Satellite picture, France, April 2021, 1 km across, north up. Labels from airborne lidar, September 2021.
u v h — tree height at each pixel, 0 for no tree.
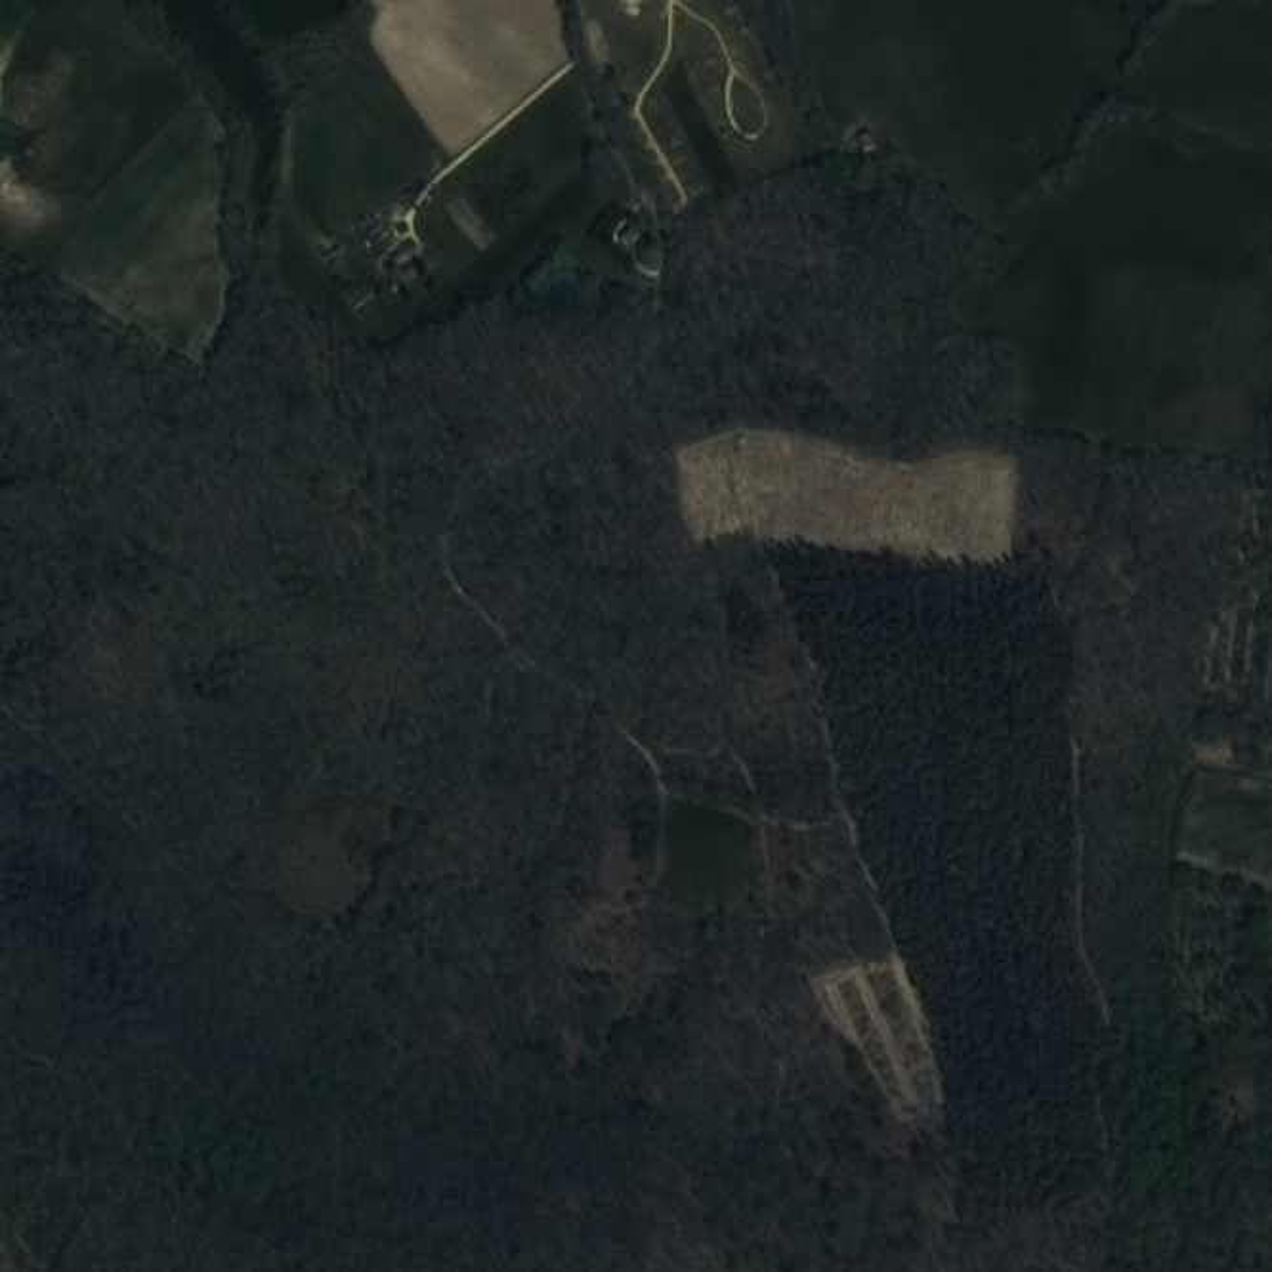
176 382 14
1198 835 0
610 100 14
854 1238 13
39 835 11
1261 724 19
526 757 13
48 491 15
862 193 16
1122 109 16
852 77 0
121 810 17
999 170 0
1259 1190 18
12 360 17
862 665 9
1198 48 0
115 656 17
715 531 0
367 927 22
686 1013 20
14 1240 19
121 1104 16
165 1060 20
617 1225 15
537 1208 12
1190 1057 18
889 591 16
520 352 21
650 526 16
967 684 14
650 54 0
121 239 0
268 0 0
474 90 0
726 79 0
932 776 14
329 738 17
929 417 21
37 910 14
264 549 17
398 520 16
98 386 16
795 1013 11
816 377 16
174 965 17
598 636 19
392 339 0
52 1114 19
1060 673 12
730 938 16
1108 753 14
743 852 0
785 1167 20
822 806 6
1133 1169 22
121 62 0
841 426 19
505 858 17
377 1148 18
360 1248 17
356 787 9
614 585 18
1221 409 0
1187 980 22
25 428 14
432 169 0
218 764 21
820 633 14
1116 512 19
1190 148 0
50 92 0
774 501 0
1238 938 13
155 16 17
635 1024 13
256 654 13
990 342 12
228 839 15
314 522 19
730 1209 16
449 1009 14
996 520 0
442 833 17
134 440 19
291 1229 15
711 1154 17
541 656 17
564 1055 19
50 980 15
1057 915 9
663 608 18
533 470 16
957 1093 14
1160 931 17
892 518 0
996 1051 16
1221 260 0
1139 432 0
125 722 16
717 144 0
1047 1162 15
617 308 18
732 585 13
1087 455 18
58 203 0
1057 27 0
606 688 18
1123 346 0
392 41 0
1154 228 0
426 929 6
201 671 17
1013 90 0
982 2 0
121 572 19
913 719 9
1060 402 0
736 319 19
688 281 10
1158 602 13
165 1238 19
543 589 16
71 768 14
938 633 19
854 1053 12
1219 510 18
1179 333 0
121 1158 17
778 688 11
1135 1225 18
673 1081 16
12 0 0
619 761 11
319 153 0
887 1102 17
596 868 16
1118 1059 19
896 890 10
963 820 15
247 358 20
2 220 0
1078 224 0
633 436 19
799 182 13
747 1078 11
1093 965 9
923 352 19
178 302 0
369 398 21
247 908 18
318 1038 18
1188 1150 18
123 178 0
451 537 14
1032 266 0
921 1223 23
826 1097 15
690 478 0
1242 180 0
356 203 0
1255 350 0
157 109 0
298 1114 20
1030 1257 14
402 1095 13
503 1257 17
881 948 16
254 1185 20
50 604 12
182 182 0
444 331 15
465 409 14
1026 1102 11
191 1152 17
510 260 0
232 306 12
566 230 0
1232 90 0
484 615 11
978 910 15
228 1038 18
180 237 0
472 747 18
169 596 15
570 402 17
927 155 0
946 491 0
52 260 0
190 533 20
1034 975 14
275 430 18
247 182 11
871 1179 18
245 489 21
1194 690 19
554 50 0
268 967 16
